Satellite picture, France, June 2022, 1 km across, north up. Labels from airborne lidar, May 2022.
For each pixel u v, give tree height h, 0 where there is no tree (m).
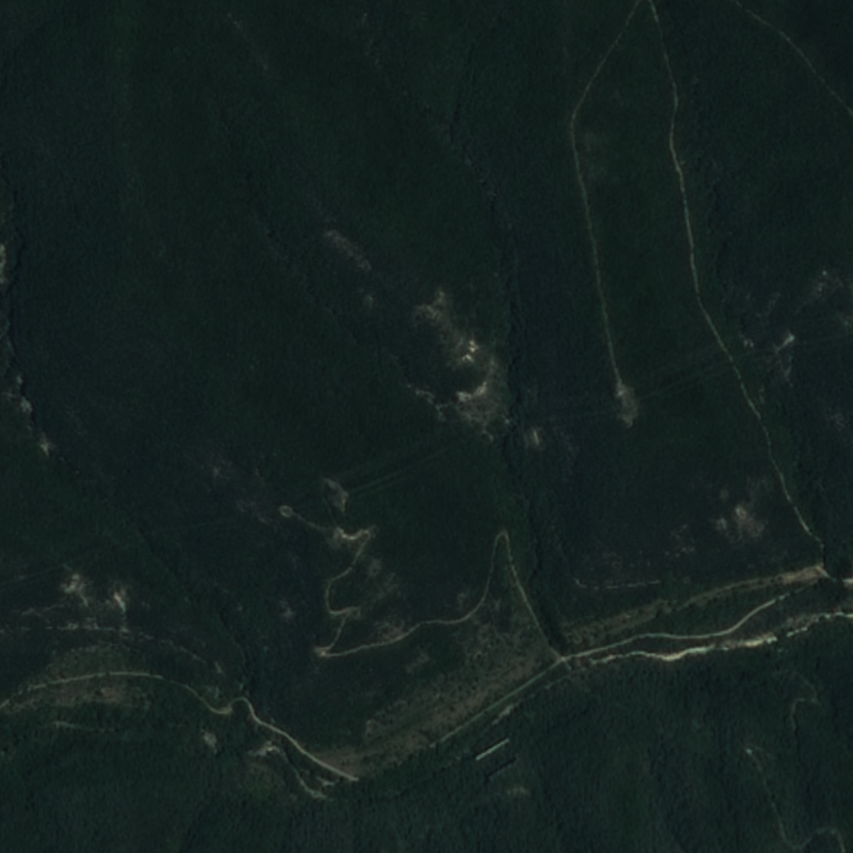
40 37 9
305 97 7
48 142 5
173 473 7
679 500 6
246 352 10
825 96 7
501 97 5
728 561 9
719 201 6
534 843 8
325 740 6
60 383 8
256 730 7
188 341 8
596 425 8
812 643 9
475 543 9
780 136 8
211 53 7
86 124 6
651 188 7
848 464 7
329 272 6
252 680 9
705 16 9
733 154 6
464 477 7
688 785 7
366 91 7
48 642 6
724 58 10
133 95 8
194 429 6
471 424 6
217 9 6
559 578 8
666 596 8
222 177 8
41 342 7
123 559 7
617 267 6
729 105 7
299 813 9
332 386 5
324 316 9
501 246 10
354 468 9
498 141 7
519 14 8
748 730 7
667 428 7
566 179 7
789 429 7
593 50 7
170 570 10
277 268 9
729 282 7
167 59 8
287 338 9
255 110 6
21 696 7
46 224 8
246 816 14
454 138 8
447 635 6
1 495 6
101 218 6
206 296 8
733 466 7
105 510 7
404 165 6
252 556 8
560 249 7
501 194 6
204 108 9
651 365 7
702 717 7
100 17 7
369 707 8
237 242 9
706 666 9
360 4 7
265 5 7
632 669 6
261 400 8
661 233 6
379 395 11
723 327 8
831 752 8
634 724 6
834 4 9
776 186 8
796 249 8
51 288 9
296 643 6
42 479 8
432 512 7
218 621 7
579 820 7
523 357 7
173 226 6
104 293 6
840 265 6
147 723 9
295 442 7
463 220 8
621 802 7
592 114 6
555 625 12
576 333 8
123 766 10
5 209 8
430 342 8
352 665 6
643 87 7
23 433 9
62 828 6
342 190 7
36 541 6
